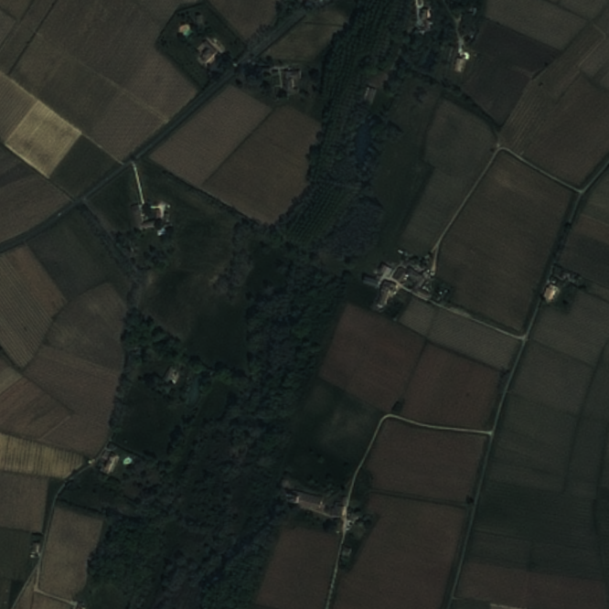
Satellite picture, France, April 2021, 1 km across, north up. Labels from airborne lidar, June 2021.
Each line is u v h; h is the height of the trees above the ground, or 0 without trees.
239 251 14
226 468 15
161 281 0
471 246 0
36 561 0
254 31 0
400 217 0
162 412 0
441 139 0
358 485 0
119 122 0
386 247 0
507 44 0
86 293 0
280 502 9
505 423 0
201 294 0
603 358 0
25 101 0
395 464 0
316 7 17
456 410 0
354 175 19
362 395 0
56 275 0
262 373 11
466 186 0
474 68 0
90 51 0
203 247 0
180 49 0
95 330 0
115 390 0
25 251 0
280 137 0
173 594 10
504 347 0
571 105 0
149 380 16
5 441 0
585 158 0
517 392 0
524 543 0
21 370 0
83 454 0
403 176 0
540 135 0
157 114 0
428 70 12
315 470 0
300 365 9
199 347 0
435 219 0
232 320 0
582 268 0
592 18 0
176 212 0
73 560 0
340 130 26
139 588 17
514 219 0
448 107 0
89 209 10
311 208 26
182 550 0
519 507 0
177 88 0
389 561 0
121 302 0
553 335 0
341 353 0
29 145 0
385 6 22
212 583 16
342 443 0
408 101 0
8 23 0
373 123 16
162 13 0
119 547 22
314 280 8
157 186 0
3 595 0
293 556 0
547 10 0
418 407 0
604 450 0
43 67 0
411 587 0
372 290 0
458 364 0
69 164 0
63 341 0
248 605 18
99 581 16
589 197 0
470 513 0
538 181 0
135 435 0
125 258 15
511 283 0
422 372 0
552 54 0
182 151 0
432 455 0
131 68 0
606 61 0
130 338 12
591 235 0
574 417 0
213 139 0
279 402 17
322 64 0
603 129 0
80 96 0
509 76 0
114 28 0
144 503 19
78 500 0
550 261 0
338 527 11
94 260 0
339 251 22
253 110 0
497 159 0
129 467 6
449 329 0
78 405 0
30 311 0
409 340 0
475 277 0
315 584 0
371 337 0
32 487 0
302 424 0
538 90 0
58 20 0
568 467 0
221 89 0
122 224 0
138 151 0
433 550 0
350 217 19
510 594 0
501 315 0
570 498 0
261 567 9
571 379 0
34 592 0
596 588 0
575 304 0
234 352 0
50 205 0
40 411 0
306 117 0
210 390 13
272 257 0
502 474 0
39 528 0
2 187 0
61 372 0
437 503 0
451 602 0
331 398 0
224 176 0
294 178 0
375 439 0
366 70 24
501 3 0
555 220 0
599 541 0
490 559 0
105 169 0
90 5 0
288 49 0
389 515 0
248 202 0
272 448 8
